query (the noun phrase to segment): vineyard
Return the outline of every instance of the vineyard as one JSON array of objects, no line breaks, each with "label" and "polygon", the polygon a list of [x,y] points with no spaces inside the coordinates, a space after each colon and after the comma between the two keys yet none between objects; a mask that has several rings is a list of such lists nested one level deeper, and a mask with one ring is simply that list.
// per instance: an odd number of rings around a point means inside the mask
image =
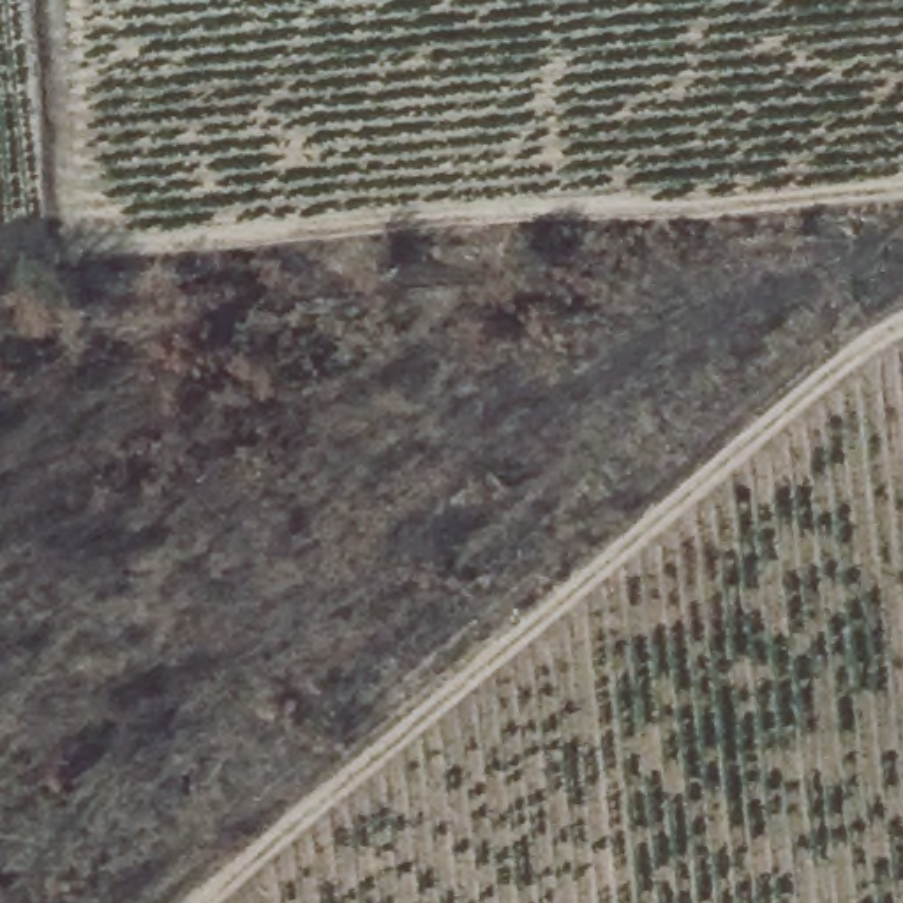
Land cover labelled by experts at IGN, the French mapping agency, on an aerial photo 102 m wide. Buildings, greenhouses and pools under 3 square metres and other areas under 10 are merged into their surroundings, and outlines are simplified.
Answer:
[{"label": "vineyard", "polygon": [[642,547],[642,554],[624,564],[628,578],[603,578],[575,610],[557,617],[511,663],[504,663],[494,677],[473,688],[452,713],[444,713],[437,727],[423,730],[420,741],[413,741],[399,758],[392,758],[346,801],[328,808],[325,818],[303,829],[286,850],[261,864],[222,903],[903,903],[903,339],[885,346],[857,370],[850,370],[836,388],[818,395],[797,420],[790,420],[776,437],[769,437],[748,459],[748,466],[741,466],[727,483],[713,487],[691,515],[681,515],[670,529],[653,536]]},{"label": "vineyard", "polygon": [[215,219],[219,208],[233,208],[240,222],[254,222],[286,215],[310,219],[325,212],[409,201],[522,198],[547,190],[628,194],[642,187],[649,198],[670,201],[688,198],[691,190],[723,198],[734,190],[748,194],[772,187],[903,176],[903,0],[0,0],[0,219],[14,222],[25,215],[49,215],[63,219],[67,226],[78,226],[85,219],[123,219],[134,233],[141,233],[205,226]]}]

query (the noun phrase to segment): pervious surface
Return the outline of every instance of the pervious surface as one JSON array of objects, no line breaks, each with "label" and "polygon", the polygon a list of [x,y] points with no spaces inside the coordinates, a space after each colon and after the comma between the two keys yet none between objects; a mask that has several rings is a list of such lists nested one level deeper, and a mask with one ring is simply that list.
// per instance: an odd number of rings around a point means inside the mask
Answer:
[{"label": "pervious surface", "polygon": [[857,339],[840,346],[832,360],[804,374],[776,406],[769,406],[741,434],[734,434],[663,501],[649,504],[621,536],[600,547],[596,557],[575,568],[547,600],[526,610],[515,624],[490,635],[473,656],[459,663],[455,674],[444,674],[444,681],[430,688],[423,702],[416,702],[399,723],[381,730],[374,744],[367,744],[353,762],[339,765],[321,787],[314,787],[300,804],[275,818],[261,836],[254,836],[233,861],[226,861],[208,882],[201,882],[180,903],[222,903],[261,864],[286,850],[303,829],[325,818],[328,808],[346,801],[392,758],[399,758],[413,741],[420,741],[423,730],[437,727],[444,713],[452,713],[473,688],[494,677],[504,663],[511,663],[557,617],[575,610],[603,578],[628,578],[624,564],[642,554],[642,547],[653,536],[670,529],[681,515],[691,515],[713,487],[727,483],[741,466],[748,466],[748,459],[769,437],[776,437],[790,420],[797,420],[818,395],[836,388],[850,370],[857,370],[885,346],[903,339],[903,307],[864,328]]},{"label": "pervious surface", "polygon": [[53,275],[60,261],[78,261],[92,250],[183,254],[388,233],[413,229],[416,222],[430,222],[430,229],[452,226],[455,233],[466,233],[494,222],[519,222],[550,212],[578,212],[586,219],[670,222],[801,212],[815,205],[903,201],[903,176],[772,187],[748,194],[734,190],[723,198],[691,190],[688,198],[670,201],[649,198],[642,187],[628,194],[547,190],[522,198],[409,201],[325,212],[310,219],[286,215],[254,222],[240,222],[233,208],[219,208],[215,219],[205,226],[141,233],[134,233],[123,219],[85,219],[78,226],[67,226],[63,219],[49,215],[25,215],[14,222],[0,219],[0,275],[14,265],[18,257],[32,257]]}]

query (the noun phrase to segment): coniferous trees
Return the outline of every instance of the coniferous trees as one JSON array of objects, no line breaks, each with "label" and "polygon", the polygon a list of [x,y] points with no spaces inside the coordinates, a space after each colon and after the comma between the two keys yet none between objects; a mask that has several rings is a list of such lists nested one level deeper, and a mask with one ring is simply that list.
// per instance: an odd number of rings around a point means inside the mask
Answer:
[{"label": "coniferous trees", "polygon": [[423,250],[430,250],[444,265],[490,261],[490,282],[459,286],[459,300],[504,303],[515,293],[554,293],[561,300],[571,300],[582,289],[582,275],[547,265],[540,254],[533,254],[519,222],[494,222],[466,233],[455,233],[452,226],[430,229],[430,222],[416,222],[413,229],[388,233],[388,250],[377,261],[381,268],[416,265]]},{"label": "coniferous trees", "polygon": [[63,282],[53,275],[32,257],[18,257],[14,265],[14,279],[4,300],[7,307],[14,307],[25,339],[46,335],[46,314],[71,307]]}]

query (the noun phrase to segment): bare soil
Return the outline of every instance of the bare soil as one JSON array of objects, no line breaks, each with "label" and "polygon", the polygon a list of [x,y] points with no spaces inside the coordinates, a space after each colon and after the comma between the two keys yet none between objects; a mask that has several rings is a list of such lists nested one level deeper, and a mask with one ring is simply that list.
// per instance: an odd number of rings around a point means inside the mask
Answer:
[{"label": "bare soil", "polygon": [[504,303],[459,300],[459,286],[490,282],[490,261],[444,265],[430,250],[423,250],[416,265],[381,268],[377,261],[388,250],[388,233],[183,254],[92,250],[78,261],[60,261],[53,275],[63,282],[71,307],[46,314],[46,335],[25,339],[14,307],[7,307],[4,300],[14,279],[14,265],[0,275],[0,903],[180,903],[201,882],[208,882],[226,861],[233,861],[254,836],[261,836],[275,818],[300,804],[314,787],[321,787],[339,765],[353,762],[367,744],[374,744],[381,730],[399,723],[416,702],[423,702],[430,688],[444,681],[444,674],[455,674],[459,663],[473,656],[490,635],[515,624],[526,610],[547,600],[575,568],[596,557],[600,547],[621,536],[649,504],[663,501],[734,434],[741,434],[769,406],[776,406],[804,374],[832,360],[840,346],[857,339],[864,328],[903,307],[903,201],[815,205],[801,212],[670,222],[586,219],[578,212],[550,212],[519,222],[533,254],[540,254],[547,265],[582,275],[582,289],[571,300],[561,300],[554,293],[515,293]]}]

